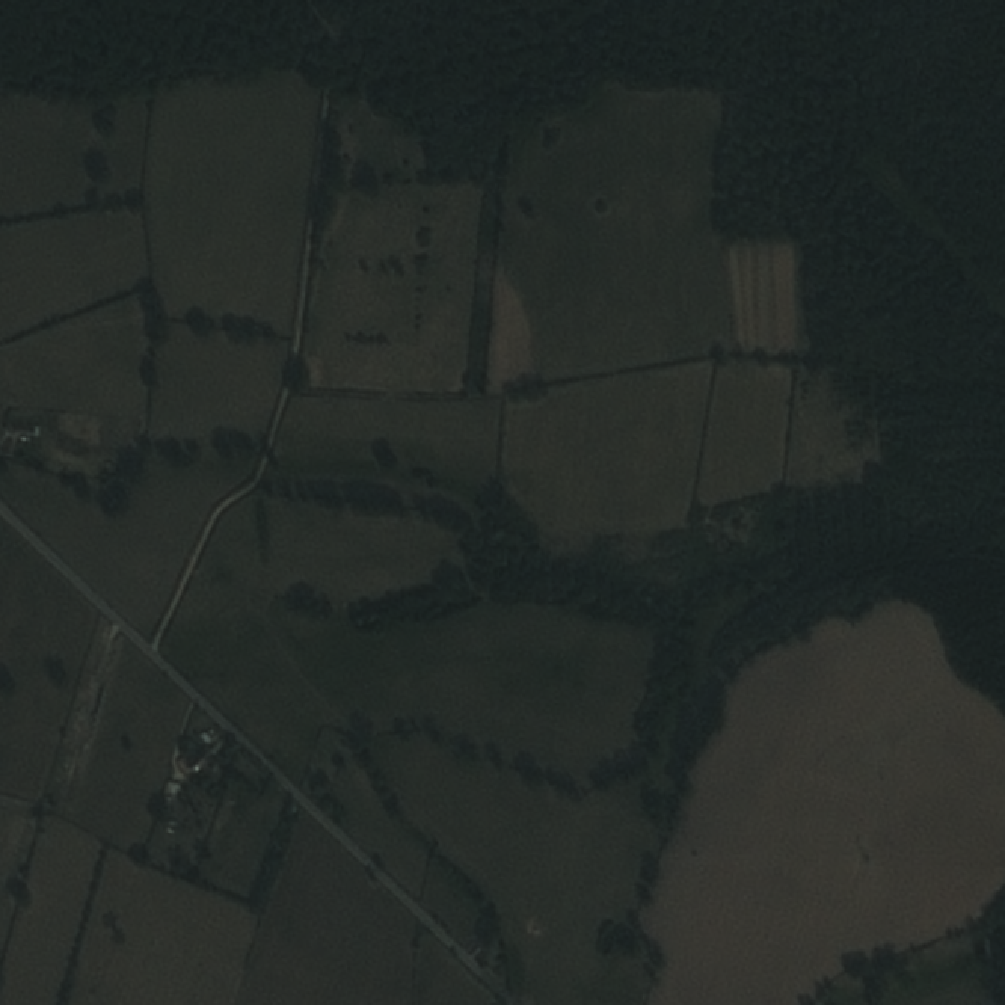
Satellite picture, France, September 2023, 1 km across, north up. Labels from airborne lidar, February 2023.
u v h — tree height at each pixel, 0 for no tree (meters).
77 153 0
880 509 15
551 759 0
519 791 0
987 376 11
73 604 0
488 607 0
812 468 0
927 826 0
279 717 0
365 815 0
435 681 0
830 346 20
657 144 0
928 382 8
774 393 0
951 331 25
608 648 0
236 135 0
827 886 0
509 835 0
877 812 0
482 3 22
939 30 12
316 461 0
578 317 0
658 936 0
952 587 11
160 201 0
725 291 0
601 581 18
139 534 0
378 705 0
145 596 0
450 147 20
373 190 19
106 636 0
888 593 12
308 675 0
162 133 0
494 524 19
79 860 0
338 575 0
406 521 0
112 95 17
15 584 0
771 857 0
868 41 19
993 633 11
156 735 0
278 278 0
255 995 0
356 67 10
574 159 0
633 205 0
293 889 0
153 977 0
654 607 19
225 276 0
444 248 0
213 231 0
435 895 0
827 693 0
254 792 9
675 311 0
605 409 0
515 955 0
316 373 0
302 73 22
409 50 21
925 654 0
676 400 0
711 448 0
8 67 26
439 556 0
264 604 0
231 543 0
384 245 0
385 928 0
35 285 0
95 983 0
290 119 0
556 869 0
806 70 10
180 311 0
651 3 26
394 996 0
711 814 0
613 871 0
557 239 0
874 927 0
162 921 0
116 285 0
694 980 0
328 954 0
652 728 7
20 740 0
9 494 0
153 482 0
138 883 0
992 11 17
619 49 21
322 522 0
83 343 0
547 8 26
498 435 0
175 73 8
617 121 0
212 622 0
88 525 0
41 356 0
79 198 0
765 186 24
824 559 19
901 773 0
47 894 0
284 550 0
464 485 0
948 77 18
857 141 20
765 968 0
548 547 0
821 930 0
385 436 0
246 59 24
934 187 21
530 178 0
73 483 8
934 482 6
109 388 0
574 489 0
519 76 13
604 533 0
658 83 16
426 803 0
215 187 0
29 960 0
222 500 0
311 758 0
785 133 18
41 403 0
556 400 0
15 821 0
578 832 0
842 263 14
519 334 0
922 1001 0
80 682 0
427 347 0
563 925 0
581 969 0
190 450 14
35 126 0
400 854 0
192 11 23
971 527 18
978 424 13
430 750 0
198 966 0
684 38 19
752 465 0
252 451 15
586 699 0
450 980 0
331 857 0
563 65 17
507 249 0
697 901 0
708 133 0
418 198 0
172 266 0
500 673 0
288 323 0
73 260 0
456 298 0
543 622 0
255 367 0
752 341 0
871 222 22
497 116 26
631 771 24
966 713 0
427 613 7
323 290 0
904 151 14
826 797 0
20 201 0
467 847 0
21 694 0
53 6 27
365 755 22
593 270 0
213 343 0
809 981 0
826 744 0
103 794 0
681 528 0
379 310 0
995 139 21
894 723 0
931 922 0
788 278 0
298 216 0
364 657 0
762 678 0
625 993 0
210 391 0
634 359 0
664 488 0
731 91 19
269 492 14
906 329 20
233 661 0
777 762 0
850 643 0
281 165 0
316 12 15
